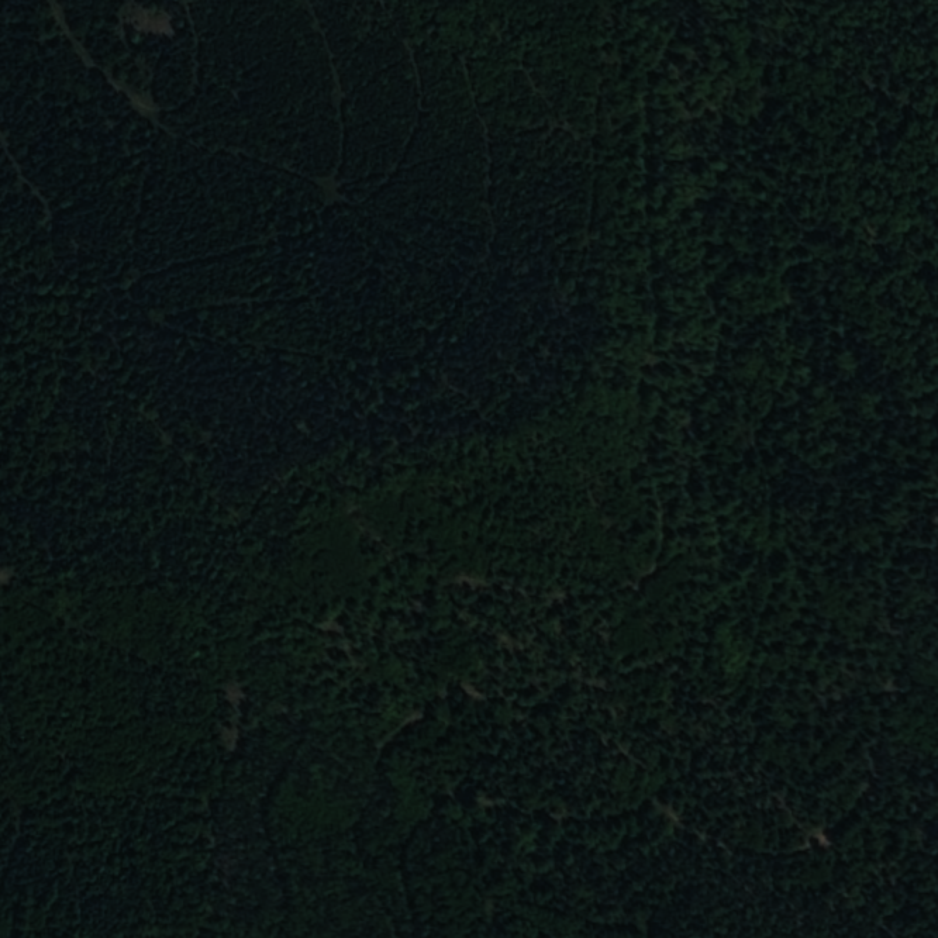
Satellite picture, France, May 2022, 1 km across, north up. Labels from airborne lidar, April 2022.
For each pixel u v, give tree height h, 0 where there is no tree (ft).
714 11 117
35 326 60
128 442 37
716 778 52
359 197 34
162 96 41
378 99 34
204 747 46
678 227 82
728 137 108
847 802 61
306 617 76
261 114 43
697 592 107
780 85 110
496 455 60
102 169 78
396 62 24
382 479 81
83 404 62
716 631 70
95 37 41
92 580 34
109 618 34
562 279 64
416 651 48
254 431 77
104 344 50
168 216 37
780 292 46
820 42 90
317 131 31
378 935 74
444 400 36
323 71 40
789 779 86
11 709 68
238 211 54
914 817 108
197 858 55
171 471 30
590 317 79
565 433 77
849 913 98
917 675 85
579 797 67
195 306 34
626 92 28
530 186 35
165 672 28
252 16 39
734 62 112
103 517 59
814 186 113
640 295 89
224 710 49
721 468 76
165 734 52
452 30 64
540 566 26
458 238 34
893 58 95
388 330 52
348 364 40
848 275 107
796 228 93
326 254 84
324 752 65
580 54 40
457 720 43
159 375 64
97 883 31
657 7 83
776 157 94
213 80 29
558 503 79
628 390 93
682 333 104
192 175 38
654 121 99
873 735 60
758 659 63
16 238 49
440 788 32
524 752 43
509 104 34
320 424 79
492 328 74
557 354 95
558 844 102
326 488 34
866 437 99
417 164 33
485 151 36
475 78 36
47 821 43
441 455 65
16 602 36
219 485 57
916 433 108
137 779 47
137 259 38
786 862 47
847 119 111
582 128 24
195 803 63
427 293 37
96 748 55
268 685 68
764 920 101
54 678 42
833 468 87
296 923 71
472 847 57
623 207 51
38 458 73
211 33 33
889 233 112
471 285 92
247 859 66
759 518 69
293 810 83
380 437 62
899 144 115
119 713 55
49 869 26
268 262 32
